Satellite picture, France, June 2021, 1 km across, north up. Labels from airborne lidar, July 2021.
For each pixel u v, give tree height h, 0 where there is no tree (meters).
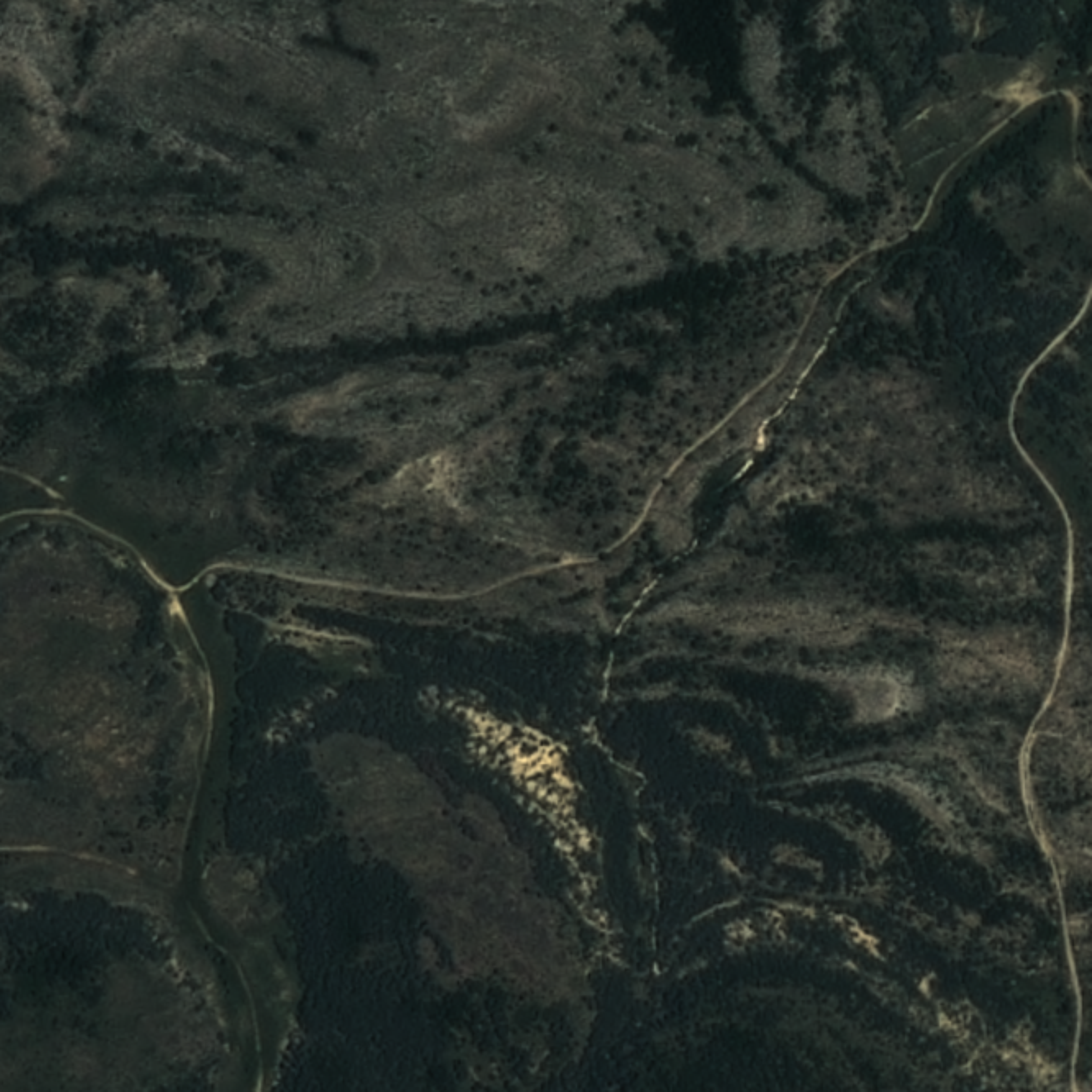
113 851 0
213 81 0
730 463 0
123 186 0
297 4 0
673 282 9
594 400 6
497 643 7
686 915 6
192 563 0
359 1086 7
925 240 10
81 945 6
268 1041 0
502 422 0
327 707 7
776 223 0
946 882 6
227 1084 0
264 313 0
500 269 0
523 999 8
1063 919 0
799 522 6
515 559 0
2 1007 6
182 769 0
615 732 9
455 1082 11
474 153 0
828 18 0
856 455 0
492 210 0
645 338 8
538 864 8
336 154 0
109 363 10
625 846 7
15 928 8
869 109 0
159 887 0
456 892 0
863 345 8
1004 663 0
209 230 0
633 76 0
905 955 6
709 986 7
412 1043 15
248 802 7
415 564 0
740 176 0
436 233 0
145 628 7
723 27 9
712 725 8
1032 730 0
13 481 0
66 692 0
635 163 0
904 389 0
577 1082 8
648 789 6
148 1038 0
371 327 0
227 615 7
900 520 0
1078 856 0
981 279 8
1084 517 0
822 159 0
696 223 0
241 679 7
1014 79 0
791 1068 7
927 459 0
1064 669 0
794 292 7
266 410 0
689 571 0
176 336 7
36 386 0
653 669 7
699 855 7
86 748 0
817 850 8
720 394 0
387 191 0
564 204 0
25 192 0
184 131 0
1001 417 9
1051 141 0
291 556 0
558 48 0
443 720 6
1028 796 0
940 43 10
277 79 0
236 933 0
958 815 0
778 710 6
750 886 6
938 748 0
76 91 0
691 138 6
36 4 0
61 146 0
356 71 0
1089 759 0
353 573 0
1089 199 0
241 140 0
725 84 6
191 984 7
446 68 0
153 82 0
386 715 8
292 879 9
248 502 0
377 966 8
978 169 9
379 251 0
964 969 6
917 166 0
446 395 0
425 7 0
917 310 9
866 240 5
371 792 0
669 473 0
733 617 0
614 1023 12
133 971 0
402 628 8
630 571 8
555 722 6
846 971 5
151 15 0
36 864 0
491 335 6
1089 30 9
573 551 0
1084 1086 0
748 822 7
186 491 0
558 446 6
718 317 6
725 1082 6
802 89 9
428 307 0
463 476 0
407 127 0
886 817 5
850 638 0
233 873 0
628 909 6
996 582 0
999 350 8
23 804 0
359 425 0
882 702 0
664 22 7
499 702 6
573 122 0
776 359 0
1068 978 0
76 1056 0
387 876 8
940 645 0
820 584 0
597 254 0
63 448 0
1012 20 7
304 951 9
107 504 0
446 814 8
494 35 0
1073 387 7
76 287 0
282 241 0
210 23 0
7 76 0
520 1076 8
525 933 0
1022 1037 0
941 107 0
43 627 0
